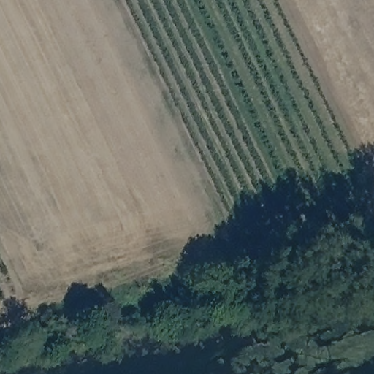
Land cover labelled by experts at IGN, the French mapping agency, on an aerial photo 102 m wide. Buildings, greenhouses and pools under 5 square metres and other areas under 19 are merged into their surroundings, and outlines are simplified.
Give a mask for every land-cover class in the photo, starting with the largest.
<instances>
[{"label":"agricultural land","instance_id":"1","mask_svg":"<svg viewBox=\"0 0 374 374\"><path fill-rule=\"evenodd\" d=\"M327 101L335 111L337 123L342 127L343 134L354 150V159L351 162L354 169H349L348 174L343 175L327 172L323 175V180L313 183L310 175H297L295 169H286V180L276 183V190H270L269 184L263 181L262 193L254 194V197L241 191V205H234L235 219L228 218V221L221 224L216 219L212 206L213 200L219 197L218 191L212 178L207 174L199 150L191 140L180 112L172 118L165 107L161 93L167 89V85L131 16L126 0H0V342H3V337H9L6 332L15 324L31 320L37 313L38 305L61 302L64 305V317L73 321L76 320L77 311L105 304L111 295L107 289L124 283H133L143 276H149L158 282L169 278L177 269L180 260L186 266H190L241 260L240 254L243 250L247 251L250 259L263 257L269 260L276 234L286 231L292 222L297 221L301 213L310 224H316L320 228L342 224L343 221H348L351 215L361 216L374 225V0H279ZM286 50L289 51L295 70L307 89L313 88V80L302 64L297 48L286 32L273 0H263Z\"/></svg>","mask_w":374,"mask_h":374},{"label":"deciduous trees","instance_id":"2","mask_svg":"<svg viewBox=\"0 0 374 374\"><path fill-rule=\"evenodd\" d=\"M131 16L167 85V89L161 93L165 107L172 118L180 112L191 140L199 150L207 174L212 178L218 191L219 197L213 200L212 206L216 219L221 224L228 221V218L235 219L234 205H241V191L254 197V194L262 193L263 181L269 184L270 190H276V183L286 180V169H295L297 175H310L313 183L323 180V175L327 172L343 175L348 174L349 169H354L351 162L354 159V150L343 134L342 127L337 123L335 111L327 101L279 0H273L286 32L297 48L302 64L313 80V88L307 89L295 70L289 51L286 50L263 0H126ZM269 260L263 257L250 259L247 251L243 250L240 254L241 260L190 266L187 272H184V285L178 289V297L172 301L159 302L153 314L142 316L140 304L123 307L111 295L105 304L77 311L76 320L73 321L64 317V305L61 302L38 305L37 313L31 320L15 324L6 332L9 337H3V342H0V374H13L26 367L53 368L67 364L77 354L86 351H91L93 356L102 362H120L123 359V352L129 349L123 343L124 339L130 335L134 339L150 337L158 342L196 345L199 340L210 339L218 335L222 327L228 326L232 329V336H248L254 330L262 339L267 340L269 346H275L317 330H324L327 333H354L365 327L374 332V225L361 216L351 215L348 221H343L342 224L320 228L316 224H310L301 213L297 221L292 222L286 231L276 234Z\"/></svg>","mask_w":374,"mask_h":374},{"label":"water","instance_id":"3","mask_svg":"<svg viewBox=\"0 0 374 374\"><path fill-rule=\"evenodd\" d=\"M262 339L254 330L248 336H232V329L228 326L222 327L218 335L210 339L199 340L196 345L158 342L150 337L134 339L130 335L124 339L123 343L129 349L123 352V359L120 362H102L93 356L91 351H86L77 354L67 364L53 368L26 367L13 374H244L232 370L231 359L240 354L241 349L257 345ZM294 358V364L289 367L288 374H295L298 368H304L305 364H298L297 352L286 351L285 354L276 356L275 361L283 362ZM316 367L317 370L323 371V374H374V358L362 362L359 367L342 370H337L332 361L321 362L316 364Z\"/></svg>","mask_w":374,"mask_h":374},{"label":"herbaceous vegetation","instance_id":"4","mask_svg":"<svg viewBox=\"0 0 374 374\"><path fill-rule=\"evenodd\" d=\"M190 266H186L180 260L177 269L169 278L158 282L149 276H143L133 283H124L107 289L111 295L123 307L140 304L142 316L153 314L159 302L172 301L178 297V289L184 285V272H187ZM286 351L297 352L298 364H305L304 368H298L295 374H323V371L317 370L316 367V364L321 362L332 361L337 370H342L359 367L362 362L374 358V332L365 327L354 333H327L324 330H317L275 346H269L267 340L262 339L257 345L241 349L240 354L231 359L232 370L244 374H288L289 367L294 364V358L283 362L275 361L276 356L285 354Z\"/></svg>","mask_w":374,"mask_h":374}]
</instances>
